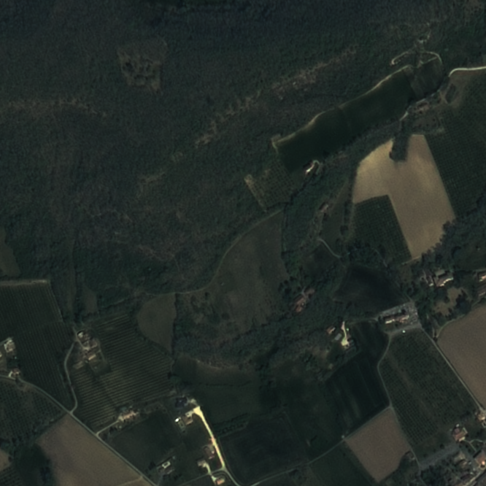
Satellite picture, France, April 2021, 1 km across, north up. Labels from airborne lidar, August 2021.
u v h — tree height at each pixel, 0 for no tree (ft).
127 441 0
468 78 0
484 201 40
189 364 0
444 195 0
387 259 75
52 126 41
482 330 0
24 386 31
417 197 0
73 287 0
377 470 0
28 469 0
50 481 105
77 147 43
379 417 0
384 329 56
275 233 0
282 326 49
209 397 0
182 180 58
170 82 61
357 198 0
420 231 0
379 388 0
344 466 0
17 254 18
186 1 22
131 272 28
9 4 40
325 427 0
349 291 0
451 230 73
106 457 0
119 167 68
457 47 0
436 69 0
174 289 47
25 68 46
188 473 0
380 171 0
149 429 0
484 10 20
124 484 0
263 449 0
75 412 0
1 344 0
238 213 50
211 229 57
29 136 59
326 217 23
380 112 0
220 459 0
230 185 49
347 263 39
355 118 0
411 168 0
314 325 53
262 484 0
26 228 48
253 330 37
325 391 17
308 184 39
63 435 0
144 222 46
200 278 40
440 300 66
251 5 60
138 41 53
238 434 0
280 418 0
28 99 33
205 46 46
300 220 50
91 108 23
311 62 23
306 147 0
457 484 0
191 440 0
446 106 0
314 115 40
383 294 0
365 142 53
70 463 0
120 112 45
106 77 35
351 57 39
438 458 0
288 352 72
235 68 56
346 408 0
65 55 47
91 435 0
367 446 0
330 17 55
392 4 60
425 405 0
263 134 46
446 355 0
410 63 28
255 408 0
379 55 57
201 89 47
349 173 78
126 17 67
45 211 55
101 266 17
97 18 53
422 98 0
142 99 59
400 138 53
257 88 32
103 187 42
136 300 41
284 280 0
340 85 29
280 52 46
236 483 0
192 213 23
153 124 56
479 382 0
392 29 37
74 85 48
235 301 0
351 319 44
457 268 60
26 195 68
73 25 51
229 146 63
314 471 17
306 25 63
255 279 0
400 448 0
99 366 0
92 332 0
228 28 61
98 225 26
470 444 23
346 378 0
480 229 81
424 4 67
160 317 0
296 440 0
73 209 52
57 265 35
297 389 0
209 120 21
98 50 44
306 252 51
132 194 35
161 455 0
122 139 47
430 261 66
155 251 18
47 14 42
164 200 42
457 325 0
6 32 63
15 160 73
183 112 54
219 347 32
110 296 22
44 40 45
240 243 0
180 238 40
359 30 31
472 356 0
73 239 33
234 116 25
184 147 29
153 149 36
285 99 21
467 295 37
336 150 0
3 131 68
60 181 46
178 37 53
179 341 71
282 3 35
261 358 0
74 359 0
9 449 73
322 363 0
